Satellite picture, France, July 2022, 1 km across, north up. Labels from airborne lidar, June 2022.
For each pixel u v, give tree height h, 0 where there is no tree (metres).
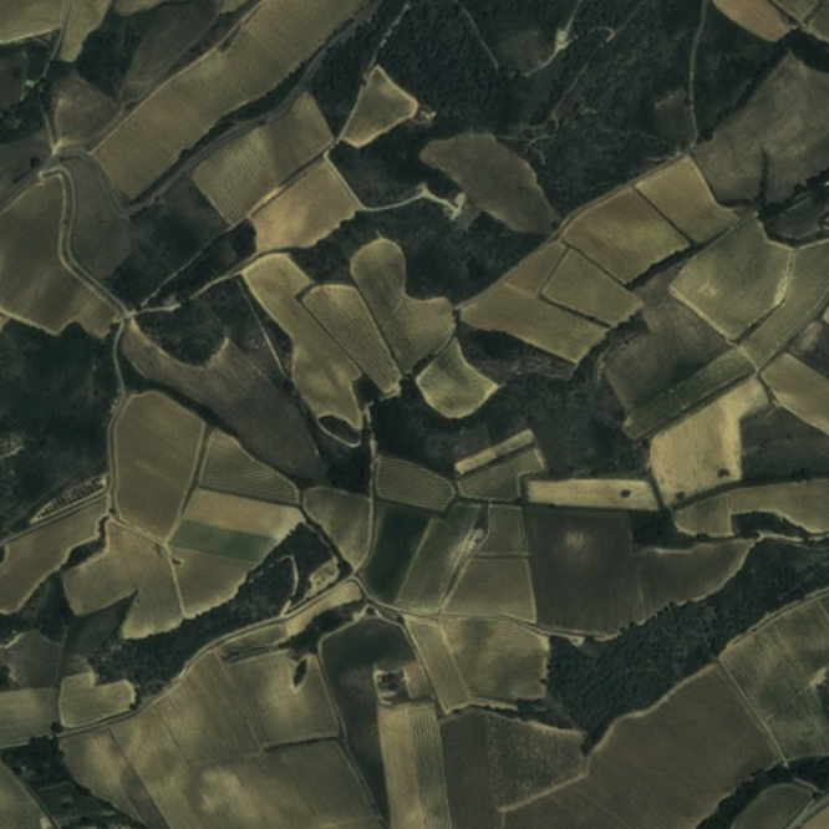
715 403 0
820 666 0
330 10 0
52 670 0
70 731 0
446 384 0
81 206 0
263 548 0
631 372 0
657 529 8
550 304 0
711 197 0
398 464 0
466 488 0
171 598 0
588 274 0
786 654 0
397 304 0
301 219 0
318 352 0
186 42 0
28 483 7
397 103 0
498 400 6
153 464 0
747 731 0
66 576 0
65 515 0
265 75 0
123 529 0
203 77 0
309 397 0
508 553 0
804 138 0
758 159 0
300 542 5
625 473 0
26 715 0
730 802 12
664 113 0
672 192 0
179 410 0
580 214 0
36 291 0
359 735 0
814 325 0
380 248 0
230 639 0
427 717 0
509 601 0
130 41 8
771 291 0
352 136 0
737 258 0
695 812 0
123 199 0
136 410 0
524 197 0
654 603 0
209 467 0
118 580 0
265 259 0
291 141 0
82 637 0
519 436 0
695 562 0
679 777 0
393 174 6
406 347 0
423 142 9
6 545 0
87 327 0
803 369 0
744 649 0
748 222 0
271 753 0
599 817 0
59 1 0
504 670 0
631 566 0
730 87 0
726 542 0
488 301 0
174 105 0
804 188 15
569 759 0
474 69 12
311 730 0
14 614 7
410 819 0
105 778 0
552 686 6
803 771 14
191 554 0
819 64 11
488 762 0
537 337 0
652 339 0
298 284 0
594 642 8
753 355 0
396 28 8
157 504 0
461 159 0
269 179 0
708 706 0
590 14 10
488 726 0
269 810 0
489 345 6
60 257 0
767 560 6
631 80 7
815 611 0
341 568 9
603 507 0
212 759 0
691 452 0
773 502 0
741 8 0
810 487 0
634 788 0
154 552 0
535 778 0
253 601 9
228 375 0
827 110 0
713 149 0
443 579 0
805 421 0
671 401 0
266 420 0
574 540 0
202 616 8
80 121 0
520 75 12
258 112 7
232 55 0
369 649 0
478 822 0
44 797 0
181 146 0
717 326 0
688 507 0
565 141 6
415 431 6
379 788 0
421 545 0
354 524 0
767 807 0
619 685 9
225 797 0
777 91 0
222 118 6
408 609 0
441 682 0
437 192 8
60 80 0
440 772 0
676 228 0
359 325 0
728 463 0
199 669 0
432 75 8
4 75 0
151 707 0
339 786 0
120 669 9
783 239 7
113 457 0
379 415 8
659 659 15
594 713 13
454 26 11
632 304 0
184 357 6
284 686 0
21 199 0
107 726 0
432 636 0
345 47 8
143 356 0
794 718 0
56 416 6
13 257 0
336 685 0
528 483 0
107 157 0
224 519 0
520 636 0
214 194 0
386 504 0
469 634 0
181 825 0
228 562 0
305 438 0
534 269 0
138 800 0
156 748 0
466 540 0
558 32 0
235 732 0
